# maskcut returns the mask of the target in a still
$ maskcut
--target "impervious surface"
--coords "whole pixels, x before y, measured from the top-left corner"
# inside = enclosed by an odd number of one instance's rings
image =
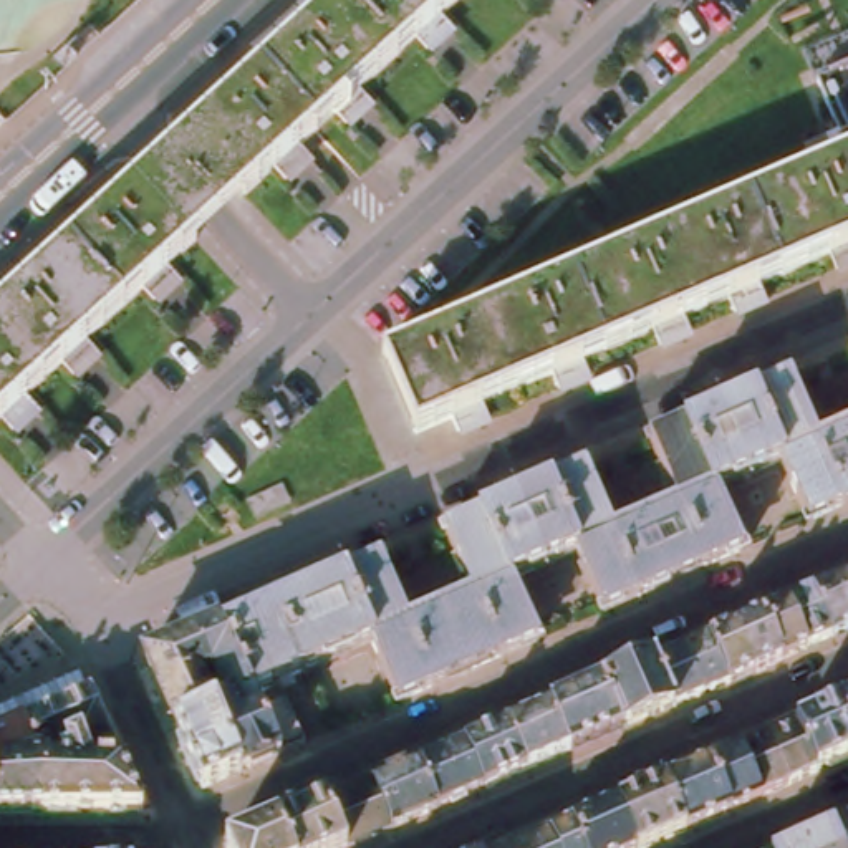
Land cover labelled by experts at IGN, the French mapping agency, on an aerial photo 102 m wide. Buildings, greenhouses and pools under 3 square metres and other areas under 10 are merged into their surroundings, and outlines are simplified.
[[[822,769],[822,775],[792,798],[762,798],[722,812],[653,848],[762,848],[782,828],[848,805],[848,759]]]
[[[142,653],[142,639],[133,626],[162,626],[176,600],[225,603],[272,580],[282,580],[301,566],[311,566],[331,553],[351,553],[354,547],[368,547],[374,540],[388,543],[404,593],[424,596],[464,576],[460,560],[451,553],[444,530],[437,527],[437,517],[447,507],[477,497],[484,487],[510,474],[520,474],[533,464],[557,464],[573,451],[593,454],[613,507],[643,500],[669,487],[666,470],[656,464],[643,434],[649,407],[663,404],[663,411],[676,411],[706,388],[716,388],[745,371],[772,368],[785,358],[798,364],[808,398],[822,417],[848,407],[848,245],[788,275],[772,275],[749,292],[735,292],[725,301],[696,308],[663,325],[656,335],[639,335],[613,351],[590,354],[586,361],[560,374],[494,394],[487,398],[490,417],[477,431],[434,427],[414,434],[381,364],[378,345],[391,338],[384,328],[391,321],[434,308],[421,285],[447,285],[447,278],[434,268],[434,255],[447,248],[451,239],[464,235],[470,209],[480,209],[487,219],[497,219],[504,212],[504,202],[517,199],[520,192],[543,199],[543,189],[533,182],[537,169],[530,166],[530,159],[523,159],[527,139],[560,136],[573,146],[573,152],[600,149],[603,136],[610,136],[663,80],[672,76],[672,66],[679,66],[679,60],[689,60],[689,46],[706,46],[706,33],[712,30],[725,33],[739,13],[752,7],[752,0],[553,0],[543,17],[530,20],[520,36],[513,36],[507,46],[497,46],[484,63],[467,63],[460,46],[447,46],[457,33],[447,13],[441,13],[427,27],[427,46],[444,50],[444,60],[457,73],[457,86],[431,116],[411,116],[391,93],[391,86],[378,76],[371,80],[361,66],[345,73],[354,89],[345,113],[348,123],[354,133],[368,136],[378,146],[378,159],[364,172],[341,169],[341,162],[325,152],[321,129],[285,156],[285,179],[292,189],[308,192],[318,205],[315,222],[305,225],[298,235],[282,235],[248,195],[222,205],[199,229],[192,245],[202,248],[222,268],[222,275],[232,278],[232,295],[225,298],[225,308],[212,315],[212,345],[195,341],[189,328],[182,341],[169,345],[169,358],[156,361],[156,368],[149,374],[139,374],[129,388],[116,388],[106,378],[106,354],[96,348],[93,338],[86,338],[70,354],[73,374],[86,374],[89,384],[106,394],[106,404],[96,407],[89,424],[76,434],[76,444],[70,451],[50,454],[40,474],[30,480],[23,480],[13,467],[0,464],[0,699],[36,689],[50,679],[80,679],[83,716],[89,729],[99,735],[116,735],[126,745],[126,752],[133,755],[133,769],[139,775],[139,788],[146,795],[142,805],[126,812],[50,812],[40,805],[0,802],[0,848],[219,848],[225,818],[258,825],[275,818],[282,808],[288,815],[301,815],[311,805],[311,782],[328,785],[341,798],[348,822],[358,822],[364,802],[378,792],[378,769],[391,755],[417,752],[431,762],[444,759],[451,732],[467,729],[480,716],[504,712],[527,696],[547,692],[550,682],[583,672],[603,656],[616,653],[623,643],[636,646],[639,639],[649,639],[656,623],[672,619],[676,629],[666,633],[663,643],[672,659],[692,663],[702,646],[702,629],[712,616],[739,613],[749,600],[759,596],[769,596],[778,606],[785,606],[792,586],[798,586],[805,576],[822,580],[825,586],[848,580],[848,520],[831,520],[818,527],[815,520],[805,520],[805,513],[778,490],[785,480],[782,464],[729,470],[725,487],[732,494],[732,504],[745,523],[745,533],[762,547],[762,553],[752,563],[732,560],[699,566],[672,576],[669,583],[656,586],[639,600],[603,610],[576,583],[576,557],[557,553],[537,563],[520,563],[520,576],[540,616],[537,626],[527,626],[480,656],[434,669],[414,682],[404,682],[394,672],[394,666],[384,656],[384,646],[348,646],[331,663],[328,656],[292,659],[272,669],[282,682],[292,686],[288,696],[275,706],[278,725],[268,725],[265,719],[255,722],[258,735],[282,739],[282,755],[272,765],[272,772],[258,782],[258,788],[229,788],[222,782],[215,792],[209,792],[195,785],[195,778],[182,769],[182,755],[176,749],[176,722],[169,716],[159,679]],[[169,543],[169,537],[182,523],[189,523],[195,507],[212,490],[219,490],[222,480],[242,480],[242,470],[252,464],[248,447],[278,447],[288,427],[305,411],[311,411],[321,401],[321,394],[328,394],[338,381],[345,381],[358,401],[358,411],[381,457],[381,474],[358,480],[338,494],[328,494],[318,480],[301,480],[288,490],[268,487],[248,497],[248,517],[239,520],[235,510],[222,510],[225,543],[205,543],[205,553],[186,553],[149,573],[139,573],[139,563],[156,547]],[[133,540],[123,550],[109,550],[103,543],[106,520],[136,527]]]
[[[606,152],[603,162],[610,169],[619,166],[633,152],[639,152],[656,133],[663,133],[682,106],[689,106],[716,76],[722,76],[742,56],[742,50],[752,40],[759,40],[772,27],[772,17],[762,13],[752,27],[739,33],[735,43],[719,50],[692,80],[686,80],[666,103],[659,103],[639,126],[633,126]]]
[[[815,123],[825,133],[848,129],[848,0],[818,0],[828,20],[828,33],[822,40],[812,40],[815,23],[808,23],[808,30],[795,30],[788,36],[792,43],[805,43],[808,70],[802,70],[802,86],[812,93]]]
[[[749,676],[729,689],[689,699],[669,709],[666,716],[646,719],[586,765],[573,765],[566,752],[553,755],[487,788],[477,788],[454,805],[437,808],[427,822],[378,831],[351,848],[533,848],[537,828],[547,818],[557,818],[563,808],[576,808],[600,788],[613,788],[636,769],[656,769],[666,759],[689,755],[692,749],[706,745],[719,749],[722,759],[739,759],[778,745],[778,719],[795,709],[798,696],[848,679],[848,639],[841,646],[825,643],[792,666]]]
[[[113,172],[119,172],[182,106],[189,106],[225,66],[232,66],[248,50],[248,43],[258,33],[265,33],[298,0],[133,0],[116,20],[89,33],[89,40],[80,50],[73,50],[70,30],[86,17],[93,0],[0,0],[0,80],[17,83],[43,56],[60,63],[60,73],[53,80],[43,80],[43,86],[20,109],[0,119],[0,275],[13,262],[20,262],[46,232],[53,232],[80,202],[86,202]]]

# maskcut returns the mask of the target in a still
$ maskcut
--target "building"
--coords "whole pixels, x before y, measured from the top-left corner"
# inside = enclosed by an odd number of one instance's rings
[[[788,156],[732,176],[712,189],[702,189],[689,199],[679,199],[666,209],[656,209],[643,219],[633,219],[613,232],[603,232],[590,242],[580,242],[566,252],[557,252],[543,262],[533,262],[513,275],[504,275],[434,308],[391,321],[384,328],[391,338],[378,345],[381,364],[414,434],[434,427],[477,431],[490,417],[487,398],[494,394],[560,374],[586,361],[590,354],[613,351],[639,335],[656,335],[663,325],[696,308],[725,301],[735,292],[749,292],[772,275],[788,275],[848,245],[848,129],[825,133],[822,139]]]
[[[782,828],[762,848],[848,848],[848,805]]]
[[[719,749],[706,745],[692,749],[689,755],[666,759],[656,769],[636,769],[613,788],[600,788],[576,808],[563,808],[557,818],[547,818],[537,828],[533,848],[653,848],[722,812],[762,798],[792,798],[822,775],[822,769],[848,759],[848,679],[798,696],[795,709],[778,719],[778,745],[739,759],[722,759]]]
[[[275,706],[288,696],[292,686],[282,682],[272,669],[292,659],[328,656],[331,663],[348,646],[384,646],[384,656],[394,666],[394,672],[404,682],[414,682],[434,669],[480,656],[527,626],[537,626],[540,616],[520,576],[520,563],[537,563],[557,553],[576,557],[576,583],[603,610],[639,600],[656,586],[669,583],[672,576],[699,566],[732,560],[752,563],[762,553],[762,547],[745,533],[745,523],[732,504],[732,494],[725,487],[729,470],[782,464],[785,480],[778,490],[805,513],[805,520],[815,520],[818,527],[831,520],[848,520],[848,407],[822,417],[808,398],[798,364],[785,358],[772,368],[745,371],[716,388],[706,388],[676,411],[663,411],[663,404],[649,407],[643,434],[656,464],[666,470],[669,487],[643,500],[613,507],[593,454],[573,451],[557,464],[533,464],[520,474],[510,474],[484,487],[477,497],[447,507],[437,517],[437,527],[444,530],[451,553],[460,560],[464,576],[424,596],[404,593],[388,543],[374,540],[368,547],[354,547],[351,553],[331,553],[311,566],[301,566],[282,580],[272,580],[225,603],[176,600],[162,626],[133,626],[142,639],[142,653],[159,679],[169,716],[176,722],[176,749],[182,755],[182,769],[195,778],[195,785],[209,792],[215,792],[222,782],[229,788],[258,788],[258,782],[272,772],[272,765],[282,755],[282,739],[258,735],[255,722],[265,719],[268,725],[278,725]]]
[[[258,33],[248,43],[248,50],[232,66],[225,66],[189,106],[182,106],[119,172],[113,172],[86,202],[80,202],[53,232],[46,232],[20,262],[13,262],[0,275],[0,424],[7,431],[13,427],[13,421],[20,417],[17,404],[27,394],[33,394],[33,388],[40,388],[53,371],[73,374],[70,354],[86,338],[93,338],[142,292],[152,288],[156,301],[176,298],[186,285],[172,258],[179,258],[192,245],[199,229],[222,205],[248,195],[252,189],[258,189],[265,176],[285,179],[285,156],[321,129],[328,123],[348,123],[345,113],[354,89],[345,73],[361,66],[371,80],[378,76],[407,46],[427,46],[427,27],[441,13],[447,13],[457,0],[298,0],[265,33]]]
[[[36,689],[0,699],[0,802],[40,805],[50,812],[126,812],[142,805],[146,795],[139,788],[139,775],[133,769],[133,755],[126,752],[126,745],[116,735],[99,735],[89,729],[83,716],[80,679],[50,679]]]
[[[805,576],[798,586],[792,586],[785,606],[778,606],[769,596],[759,596],[749,600],[739,613],[712,616],[702,629],[702,646],[692,663],[672,659],[663,643],[666,633],[676,629],[672,619],[656,623],[649,639],[639,639],[636,646],[623,643],[616,653],[603,656],[583,672],[550,682],[547,692],[527,696],[504,712],[480,716],[467,729],[451,732],[444,759],[431,762],[417,752],[391,755],[378,769],[378,792],[364,802],[358,822],[348,822],[341,798],[328,785],[311,782],[311,805],[301,815],[288,815],[282,808],[275,818],[258,825],[225,818],[219,848],[351,848],[378,831],[427,822],[437,808],[454,805],[477,788],[487,788],[553,755],[566,752],[573,765],[586,765],[646,719],[666,716],[669,709],[689,699],[729,689],[749,676],[792,666],[825,643],[841,646],[848,639],[848,580],[825,586],[822,580]]]

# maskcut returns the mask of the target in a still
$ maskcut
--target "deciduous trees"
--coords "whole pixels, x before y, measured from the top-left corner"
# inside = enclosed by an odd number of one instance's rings
[[[109,550],[123,550],[133,540],[136,527],[106,520],[103,543]]]

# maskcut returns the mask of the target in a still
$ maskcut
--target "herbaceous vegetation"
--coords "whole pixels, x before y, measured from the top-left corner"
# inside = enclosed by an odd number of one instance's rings
[[[772,27],[759,40],[752,40],[742,50],[742,56],[722,76],[716,76],[689,106],[682,106],[663,133],[656,133],[639,152],[633,152],[619,166],[610,169],[603,162],[606,152],[633,126],[639,126],[659,103],[666,103],[686,80],[692,80],[719,50],[735,43],[739,33],[752,27],[762,13],[772,17]],[[447,285],[421,285],[434,308],[504,275],[513,275],[533,262],[543,262],[557,252],[566,252],[580,242],[590,242],[603,232],[613,232],[633,219],[643,219],[656,209],[666,209],[679,199],[689,199],[702,189],[712,189],[732,176],[788,156],[822,139],[825,133],[815,123],[812,93],[802,86],[802,70],[808,70],[805,43],[792,43],[788,36],[795,30],[808,30],[808,23],[815,23],[812,40],[822,40],[828,33],[828,20],[818,0],[752,0],[752,7],[739,13],[725,33],[712,30],[706,33],[706,46],[689,46],[689,60],[679,60],[679,66],[672,66],[672,76],[663,80],[610,136],[603,136],[600,149],[573,152],[573,146],[560,136],[527,139],[523,159],[530,159],[530,166],[537,169],[533,182],[543,189],[543,199],[520,192],[517,199],[504,202],[504,212],[497,219],[487,219],[480,209],[470,209],[464,235],[451,239],[447,248],[434,255],[434,268],[447,278]]]
[[[252,189],[248,195],[282,235],[298,235],[305,225],[315,222],[318,205],[308,192],[292,189],[285,179],[265,176],[258,189]]]
[[[341,169],[364,172],[378,159],[378,146],[368,136],[354,133],[348,123],[328,123],[321,129],[325,152],[341,162]]]
[[[133,0],[93,0],[86,17],[70,30],[73,50],[80,50],[89,40],[89,33],[116,20]]]
[[[139,573],[149,573],[186,553],[205,553],[205,543],[225,543],[222,510],[235,510],[239,520],[248,517],[248,497],[268,487],[288,490],[301,480],[318,480],[328,494],[338,494],[358,480],[381,474],[381,457],[358,411],[358,401],[345,381],[338,381],[328,394],[321,394],[321,401],[311,411],[305,411],[288,427],[278,447],[248,447],[252,464],[242,470],[242,480],[222,480],[219,490],[212,490],[195,507],[189,523],[182,523],[169,537],[169,543],[156,547],[139,563]]]
[[[172,258],[186,285],[186,295],[202,305],[202,315],[212,315],[225,308],[225,298],[232,295],[232,278],[222,275],[222,268],[202,248],[192,245],[179,258]]]
[[[169,345],[182,341],[189,328],[192,321],[186,321],[176,311],[162,311],[156,301],[152,288],[142,292],[93,338],[96,348],[106,354],[106,378],[116,388],[129,388],[139,374],[149,374],[156,368],[156,361],[169,358]]]
[[[60,73],[60,63],[43,56],[17,83],[0,80],[0,119],[20,109],[43,86],[43,80],[53,80]]]
[[[460,46],[467,63],[484,63],[497,46],[507,46],[513,36],[520,36],[530,20],[543,17],[553,0],[457,0],[447,13],[457,33],[447,46]]]
[[[30,480],[40,474],[50,454],[70,451],[76,444],[76,434],[89,424],[96,407],[106,404],[106,394],[89,384],[86,374],[73,374],[53,371],[40,388],[33,388],[33,394],[27,394],[17,404],[20,417],[13,421],[13,427],[7,431],[0,424],[0,464],[13,467],[23,480]]]
[[[411,116],[431,116],[457,86],[457,73],[444,60],[444,50],[427,46],[407,46],[378,76],[391,86],[391,93]]]

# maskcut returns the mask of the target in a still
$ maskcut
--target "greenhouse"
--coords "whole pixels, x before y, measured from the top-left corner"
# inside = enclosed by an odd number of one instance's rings
[[[186,285],[176,298],[156,301],[162,311],[176,311],[186,321],[192,321],[189,328],[195,341],[212,345],[212,315],[202,315],[202,305],[186,295]]]

